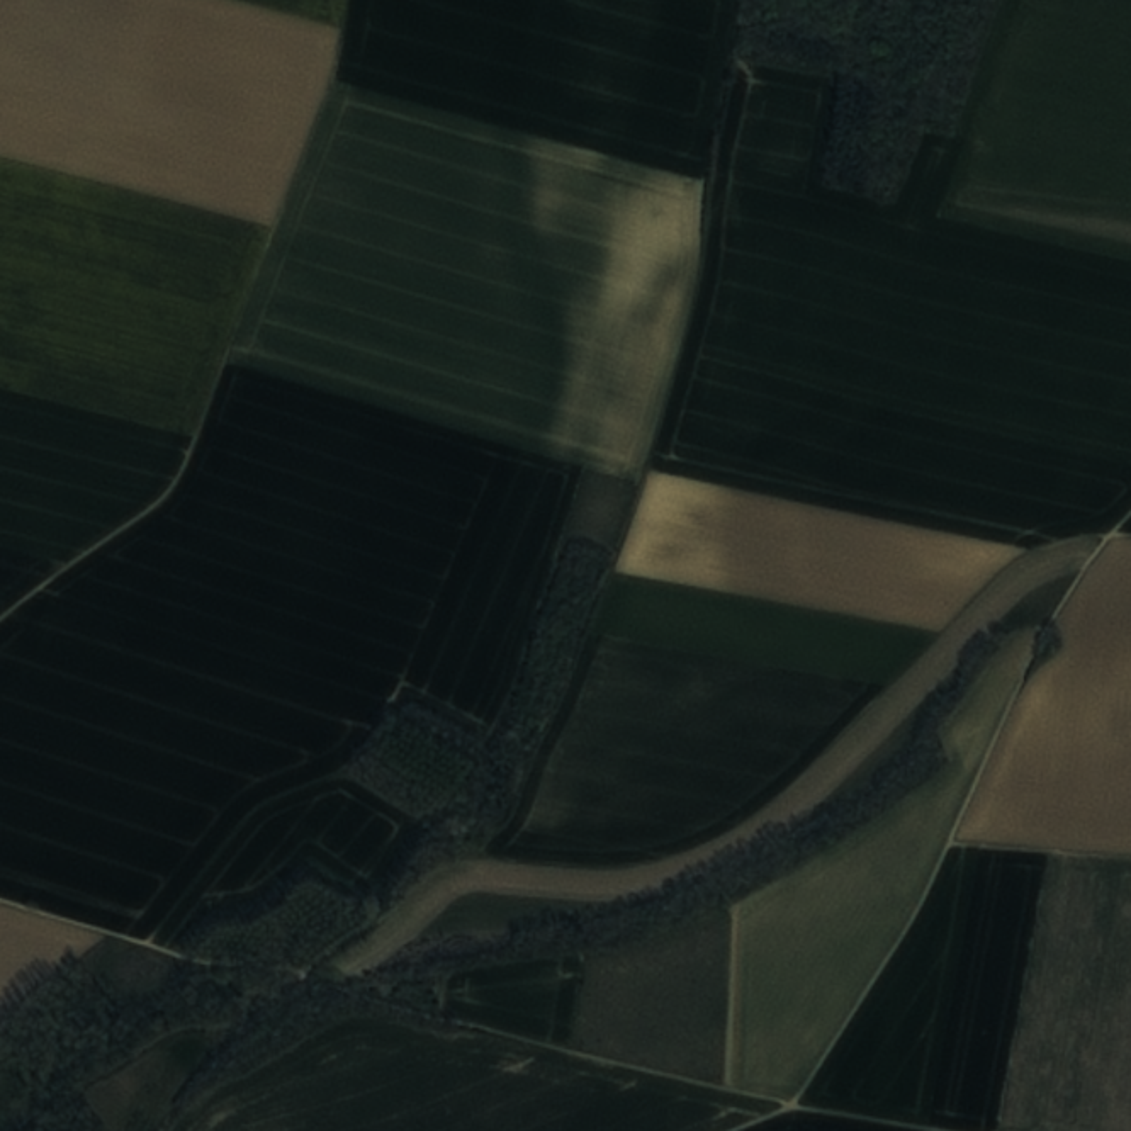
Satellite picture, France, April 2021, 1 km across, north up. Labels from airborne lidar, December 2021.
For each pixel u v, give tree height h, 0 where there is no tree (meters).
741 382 0
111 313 0
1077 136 0
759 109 0
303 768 0
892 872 0
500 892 0
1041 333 0
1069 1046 0
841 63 12
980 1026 0
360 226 0
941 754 15
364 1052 0
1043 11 0
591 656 0
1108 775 0
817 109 0
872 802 13
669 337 0
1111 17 0
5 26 0
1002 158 0
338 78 0
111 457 0
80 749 0
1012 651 0
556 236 0
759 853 17
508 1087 0
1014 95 0
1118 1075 0
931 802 0
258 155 0
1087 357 0
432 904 0
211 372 0
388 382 0
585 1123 0
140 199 0
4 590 0
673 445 0
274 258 0
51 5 0
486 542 0
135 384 0
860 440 0
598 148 0
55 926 0
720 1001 0
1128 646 0
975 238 0
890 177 9
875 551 0
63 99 0
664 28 0
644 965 0
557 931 17
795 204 0
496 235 0
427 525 0
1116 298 0
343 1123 0
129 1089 0
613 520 0
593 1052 0
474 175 0
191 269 0
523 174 0
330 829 0
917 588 0
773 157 0
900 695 0
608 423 0
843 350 0
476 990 0
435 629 0
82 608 0
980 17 12
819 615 0
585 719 0
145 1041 29
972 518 0
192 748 0
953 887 0
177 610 0
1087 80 0
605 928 13
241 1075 11
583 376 0
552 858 0
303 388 0
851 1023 0
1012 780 0
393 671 0
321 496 0
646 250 0
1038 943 0
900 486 0
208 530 0
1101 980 0
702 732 0
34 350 0
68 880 0
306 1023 19
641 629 0
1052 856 0
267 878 0
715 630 0
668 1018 0
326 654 0
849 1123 0
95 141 0
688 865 0
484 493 0
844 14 18
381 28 0
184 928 0
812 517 0
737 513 0
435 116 0
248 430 0
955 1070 0
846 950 0
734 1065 0
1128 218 0
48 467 0
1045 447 0
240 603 0
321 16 0
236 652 0
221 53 0
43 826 0
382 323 0
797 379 0
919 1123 0
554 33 0
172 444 0
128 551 0
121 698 0
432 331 0
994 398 0
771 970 0
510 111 0
